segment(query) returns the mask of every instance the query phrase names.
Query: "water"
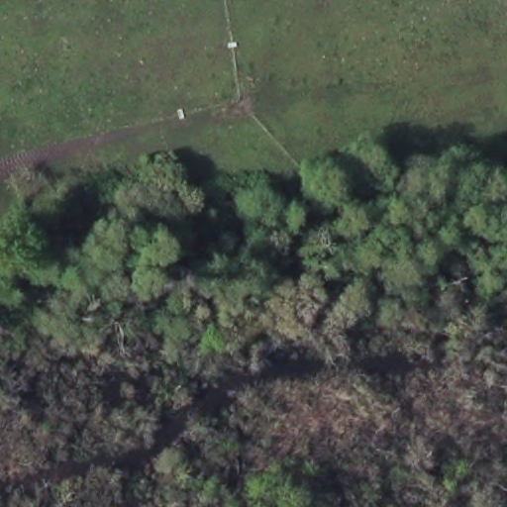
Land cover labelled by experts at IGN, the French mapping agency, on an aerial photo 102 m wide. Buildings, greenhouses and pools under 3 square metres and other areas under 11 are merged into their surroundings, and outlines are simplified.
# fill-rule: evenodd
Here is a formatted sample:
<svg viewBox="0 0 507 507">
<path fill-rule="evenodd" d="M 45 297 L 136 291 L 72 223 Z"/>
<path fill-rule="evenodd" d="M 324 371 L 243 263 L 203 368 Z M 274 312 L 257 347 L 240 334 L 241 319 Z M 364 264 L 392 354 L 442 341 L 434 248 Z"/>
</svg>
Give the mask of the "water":
<svg viewBox="0 0 507 507">
<path fill-rule="evenodd" d="M 216 418 L 230 406 L 240 404 L 240 400 L 228 396 L 228 390 L 244 392 L 246 388 L 253 388 L 255 384 L 275 380 L 313 382 L 315 376 L 323 370 L 325 362 L 317 356 L 289 356 L 281 347 L 275 349 L 263 349 L 259 353 L 257 372 L 253 372 L 248 366 L 244 366 L 242 372 L 218 368 L 218 386 L 208 384 L 206 388 L 198 388 L 190 396 L 190 404 L 198 412 L 198 418 Z"/>
<path fill-rule="evenodd" d="M 414 420 L 414 402 L 404 392 L 408 384 L 408 374 L 412 372 L 408 368 L 406 353 L 394 351 L 388 355 L 376 356 L 364 358 L 362 366 L 358 368 L 358 372 L 370 376 L 370 384 L 366 388 L 372 390 L 372 394 L 388 394 L 398 404 L 400 414 L 406 420 Z"/>
<path fill-rule="evenodd" d="M 61 485 L 65 479 L 83 477 L 87 475 L 87 471 L 97 467 L 105 467 L 111 473 L 115 473 L 117 469 L 121 471 L 123 507 L 139 507 L 139 499 L 135 497 L 133 485 L 141 481 L 139 471 L 145 469 L 145 465 L 154 463 L 166 450 L 172 446 L 174 438 L 186 430 L 190 416 L 184 408 L 176 410 L 172 406 L 162 404 L 160 416 L 156 418 L 156 430 L 152 432 L 151 448 L 137 448 L 125 454 L 105 452 L 89 457 L 85 461 L 61 461 L 55 457 L 48 469 L 36 469 L 34 473 L 18 473 L 14 477 L 0 479 L 0 507 L 8 507 L 12 493 L 16 493 L 18 489 L 20 497 L 32 501 L 36 495 L 34 489 L 44 485 L 44 481 L 51 485 Z"/>
</svg>

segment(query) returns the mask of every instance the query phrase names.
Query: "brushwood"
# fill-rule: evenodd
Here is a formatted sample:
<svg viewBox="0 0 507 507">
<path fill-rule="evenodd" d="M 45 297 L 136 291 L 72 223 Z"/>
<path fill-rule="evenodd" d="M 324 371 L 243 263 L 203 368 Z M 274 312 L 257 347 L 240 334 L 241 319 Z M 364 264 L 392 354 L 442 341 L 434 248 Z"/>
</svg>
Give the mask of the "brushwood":
<svg viewBox="0 0 507 507">
<path fill-rule="evenodd" d="M 117 370 L 113 364 L 101 364 L 93 355 L 61 355 L 51 345 L 53 337 L 42 333 L 36 335 L 30 349 L 24 347 L 24 351 L 16 358 L 10 358 L 8 362 L 0 364 L 0 479 L 14 477 L 18 473 L 34 473 L 36 469 L 48 469 L 55 457 L 61 461 L 85 461 L 89 457 L 105 452 L 125 454 L 137 448 L 151 448 L 152 432 L 156 430 L 156 418 L 160 416 L 162 404 L 172 406 L 176 410 L 184 408 L 190 416 L 186 430 L 174 438 L 172 446 L 166 450 L 174 459 L 170 471 L 160 473 L 156 471 L 154 463 L 145 465 L 145 469 L 139 471 L 141 481 L 133 485 L 135 497 L 139 499 L 139 507 L 248 507 L 248 479 L 265 473 L 267 465 L 273 463 L 277 457 L 297 456 L 303 457 L 305 463 L 311 461 L 317 465 L 317 473 L 313 477 L 313 483 L 309 485 L 309 495 L 311 501 L 319 507 L 349 507 L 347 491 L 353 491 L 358 485 L 362 485 L 362 495 L 368 501 L 376 501 L 376 507 L 426 507 L 428 491 L 420 487 L 418 479 L 404 479 L 402 485 L 394 485 L 390 471 L 394 467 L 400 467 L 402 471 L 424 471 L 438 485 L 444 481 L 444 467 L 450 461 L 467 461 L 467 473 L 459 479 L 454 495 L 450 497 L 446 507 L 471 507 L 471 481 L 477 483 L 479 489 L 483 489 L 487 481 L 495 481 L 497 485 L 493 487 L 493 493 L 501 497 L 503 505 L 507 505 L 507 368 L 499 370 L 493 386 L 487 386 L 487 362 L 477 360 L 477 355 L 481 349 L 489 347 L 491 358 L 507 366 L 507 301 L 491 301 L 491 305 L 485 311 L 485 323 L 479 331 L 475 331 L 473 337 L 463 337 L 457 333 L 457 343 L 467 347 L 469 351 L 469 360 L 463 362 L 467 378 L 459 378 L 457 384 L 450 384 L 446 388 L 432 388 L 428 376 L 428 372 L 432 370 L 444 370 L 450 366 L 444 358 L 448 335 L 434 337 L 434 343 L 430 345 L 434 360 L 430 362 L 418 353 L 406 353 L 408 368 L 412 372 L 408 374 L 408 384 L 404 392 L 414 402 L 414 420 L 406 420 L 400 414 L 398 404 L 388 394 L 372 394 L 372 390 L 366 388 L 370 384 L 370 376 L 358 372 L 358 368 L 362 366 L 364 358 L 376 356 L 370 351 L 370 343 L 384 327 L 380 321 L 380 301 L 386 291 L 382 281 L 378 287 L 372 287 L 366 293 L 366 299 L 370 303 L 368 315 L 358 317 L 353 327 L 345 329 L 349 355 L 333 358 L 333 362 L 325 362 L 323 370 L 315 376 L 313 382 L 275 380 L 255 384 L 253 388 L 246 388 L 244 392 L 228 390 L 228 396 L 240 400 L 240 404 L 230 406 L 216 418 L 198 418 L 198 412 L 190 404 L 190 396 L 198 388 L 206 388 L 208 384 L 204 376 L 192 374 L 182 364 L 168 362 L 162 353 L 154 360 L 149 360 L 149 370 L 131 376 L 127 370 Z M 465 410 L 457 404 L 457 398 L 465 390 L 471 390 L 475 394 L 473 402 L 483 404 L 481 410 Z M 420 463 L 406 463 L 406 448 L 408 444 L 414 444 L 418 438 L 422 438 L 426 446 L 434 450 L 432 467 Z M 216 493 L 212 497 L 208 497 L 206 493 L 194 495 L 188 487 L 178 485 L 176 475 L 182 467 L 190 477 L 218 481 Z"/>
<path fill-rule="evenodd" d="M 16 493 L 12 493 L 8 507 L 123 507 L 121 471 L 117 469 L 115 473 L 111 473 L 105 467 L 97 467 L 87 471 L 87 475 L 83 477 L 65 479 L 61 485 L 51 485 L 44 481 L 44 485 L 34 489 L 36 495 L 32 501 L 20 497 L 18 489 Z"/>
<path fill-rule="evenodd" d="M 291 339 L 285 339 L 281 347 L 289 356 L 317 356 L 313 347 L 295 345 Z"/>
<path fill-rule="evenodd" d="M 244 341 L 244 345 L 238 351 L 242 353 L 242 358 L 250 358 L 253 345 L 259 343 L 263 349 L 275 349 L 269 335 L 263 331 Z"/>
</svg>

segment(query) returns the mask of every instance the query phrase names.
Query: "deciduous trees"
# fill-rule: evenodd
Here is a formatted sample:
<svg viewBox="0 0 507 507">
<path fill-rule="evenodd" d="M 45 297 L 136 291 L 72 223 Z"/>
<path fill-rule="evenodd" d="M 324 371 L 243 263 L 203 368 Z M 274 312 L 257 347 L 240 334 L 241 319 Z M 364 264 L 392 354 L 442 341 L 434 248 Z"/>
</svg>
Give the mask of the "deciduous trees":
<svg viewBox="0 0 507 507">
<path fill-rule="evenodd" d="M 218 481 L 190 477 L 182 467 L 176 475 L 178 485 L 188 487 L 194 495 L 206 493 L 208 497 L 212 497 L 216 493 Z"/>
<path fill-rule="evenodd" d="M 311 501 L 309 495 L 309 485 L 313 483 L 313 477 L 317 473 L 317 465 L 311 461 L 305 463 L 303 457 L 297 456 L 277 457 L 273 463 L 267 465 L 265 473 L 248 479 L 248 507 L 319 507 Z"/>
<path fill-rule="evenodd" d="M 507 505 L 503 505 L 501 497 L 493 493 L 493 487 L 497 485 L 495 481 L 487 481 L 483 489 L 479 489 L 477 483 L 471 481 L 471 507 L 507 507 Z"/>
<path fill-rule="evenodd" d="M 156 471 L 160 473 L 170 471 L 174 459 L 166 450 L 154 463 Z"/>
<path fill-rule="evenodd" d="M 285 174 L 273 172 L 269 168 L 238 172 L 218 168 L 218 176 L 210 182 L 204 182 L 196 190 L 186 184 L 180 166 L 166 162 L 166 158 L 160 154 L 152 160 L 149 160 L 147 154 L 139 154 L 131 162 L 131 172 L 127 174 L 123 174 L 119 168 L 87 172 L 83 168 L 73 166 L 73 178 L 50 180 L 38 176 L 34 170 L 16 170 L 8 178 L 12 202 L 4 212 L 4 220 L 0 222 L 0 364 L 8 362 L 10 358 L 16 358 L 24 351 L 24 347 L 30 349 L 36 335 L 42 333 L 53 337 L 51 345 L 61 355 L 93 355 L 101 364 L 113 364 L 117 370 L 127 370 L 131 376 L 149 370 L 149 360 L 154 360 L 162 353 L 168 362 L 182 364 L 192 374 L 204 376 L 208 384 L 218 386 L 218 368 L 242 372 L 244 366 L 248 366 L 253 372 L 257 372 L 259 353 L 263 349 L 259 343 L 253 345 L 250 358 L 242 358 L 242 353 L 238 351 L 244 345 L 244 341 L 263 331 L 269 335 L 275 349 L 281 347 L 285 339 L 291 339 L 295 345 L 313 347 L 317 356 L 325 362 L 333 362 L 333 358 L 349 355 L 345 329 L 353 327 L 358 317 L 368 315 L 370 303 L 366 299 L 366 293 L 372 287 L 378 287 L 382 281 L 386 291 L 380 301 L 380 321 L 384 327 L 370 343 L 370 351 L 376 356 L 388 355 L 394 351 L 406 353 L 418 353 L 430 362 L 434 360 L 430 345 L 434 343 L 434 337 L 448 335 L 444 358 L 450 366 L 444 370 L 432 370 L 428 372 L 428 376 L 432 388 L 446 388 L 450 384 L 457 384 L 459 378 L 467 378 L 463 362 L 469 360 L 469 351 L 467 347 L 457 343 L 457 333 L 463 337 L 473 337 L 475 331 L 479 331 L 485 323 L 485 311 L 491 305 L 491 301 L 507 301 L 507 168 L 485 166 L 479 152 L 457 143 L 450 145 L 438 156 L 412 156 L 410 168 L 396 166 L 390 160 L 388 152 L 382 149 L 382 135 L 374 127 L 356 127 L 353 135 L 349 135 L 347 141 L 343 141 L 343 147 L 339 151 L 329 151 L 329 158 L 325 158 L 323 162 L 313 160 L 307 164 L 301 160 L 299 178 L 287 178 Z"/>
<path fill-rule="evenodd" d="M 507 366 L 491 358 L 489 347 L 481 349 L 477 355 L 477 360 L 487 362 L 487 386 L 493 386 L 499 370 L 507 368 Z"/>
<path fill-rule="evenodd" d="M 483 404 L 473 402 L 475 394 L 471 390 L 465 390 L 457 398 L 457 404 L 465 410 L 481 410 Z"/>
<path fill-rule="evenodd" d="M 402 471 L 400 467 L 394 467 L 390 471 L 394 485 L 402 485 L 404 479 L 418 479 L 420 487 L 428 491 L 426 507 L 446 507 L 450 497 L 454 495 L 459 479 L 467 473 L 467 461 L 450 461 L 444 467 L 444 481 L 438 485 L 424 471 Z"/>
<path fill-rule="evenodd" d="M 349 507 L 376 507 L 376 501 L 368 501 L 362 495 L 362 485 L 358 485 L 353 491 L 347 491 Z"/>
<path fill-rule="evenodd" d="M 422 438 L 418 438 L 414 444 L 408 444 L 406 448 L 406 463 L 420 463 L 432 467 L 434 450 L 426 446 Z"/>
</svg>

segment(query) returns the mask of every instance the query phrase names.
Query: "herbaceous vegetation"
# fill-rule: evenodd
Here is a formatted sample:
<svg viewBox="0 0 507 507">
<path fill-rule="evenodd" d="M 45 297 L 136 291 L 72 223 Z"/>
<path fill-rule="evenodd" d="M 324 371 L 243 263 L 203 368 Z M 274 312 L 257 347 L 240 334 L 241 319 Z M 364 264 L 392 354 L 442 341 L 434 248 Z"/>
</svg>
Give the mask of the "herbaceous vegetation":
<svg viewBox="0 0 507 507">
<path fill-rule="evenodd" d="M 396 166 L 410 168 L 412 156 L 438 156 L 450 145 L 457 143 L 479 152 L 485 166 L 507 168 L 507 0 L 0 0 L 0 222 L 4 220 L 4 212 L 12 202 L 8 178 L 16 170 L 34 170 L 38 176 L 50 180 L 73 178 L 73 166 L 83 168 L 87 172 L 119 168 L 123 174 L 127 174 L 131 172 L 131 162 L 139 154 L 147 154 L 149 160 L 152 160 L 160 154 L 166 158 L 166 162 L 180 166 L 186 184 L 196 190 L 204 182 L 210 182 L 218 176 L 218 168 L 238 172 L 269 168 L 273 172 L 285 174 L 287 178 L 299 178 L 301 160 L 307 164 L 313 160 L 323 162 L 325 158 L 329 158 L 329 151 L 339 151 L 343 147 L 343 141 L 347 141 L 349 135 L 353 135 L 356 127 L 374 127 L 382 135 L 382 149 L 388 152 L 390 160 Z"/>
</svg>

